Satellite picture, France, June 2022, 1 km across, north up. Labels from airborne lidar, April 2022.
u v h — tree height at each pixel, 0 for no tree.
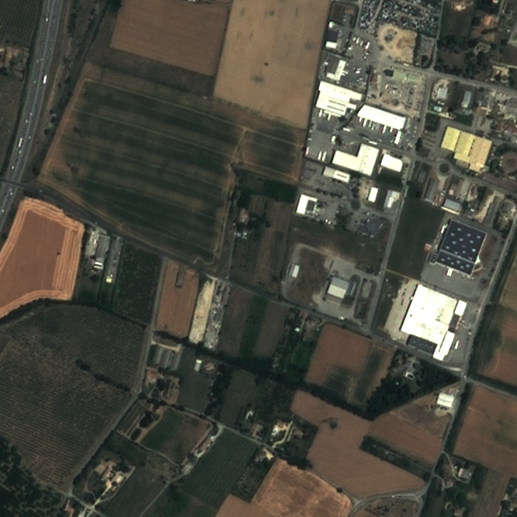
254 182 0
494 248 0
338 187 0
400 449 0
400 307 0
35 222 0
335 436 0
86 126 0
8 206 0
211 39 0
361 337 0
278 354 6
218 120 0
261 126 0
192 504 0
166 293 0
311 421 0
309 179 0
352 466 0
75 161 0
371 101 0
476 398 0
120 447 0
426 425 0
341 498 0
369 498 0
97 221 0
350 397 0
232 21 0
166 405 8
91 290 0
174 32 0
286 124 0
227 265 0
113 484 8
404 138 0
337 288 0
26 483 7
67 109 0
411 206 0
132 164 0
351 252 0
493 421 0
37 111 0
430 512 0
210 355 6
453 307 0
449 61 0
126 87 0
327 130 0
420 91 0
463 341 0
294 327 10
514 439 0
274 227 0
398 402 13
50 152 0
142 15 0
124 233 0
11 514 6
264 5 0
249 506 0
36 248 0
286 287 0
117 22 0
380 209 0
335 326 0
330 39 0
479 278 0
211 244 0
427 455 0
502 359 0
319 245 0
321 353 0
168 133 0
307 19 0
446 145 0
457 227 0
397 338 0
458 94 0
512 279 0
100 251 0
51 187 0
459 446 0
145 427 13
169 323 0
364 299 0
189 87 0
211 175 0
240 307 0
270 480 0
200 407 0
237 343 0
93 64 0
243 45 0
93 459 10
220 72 0
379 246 0
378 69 0
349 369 0
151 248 0
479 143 0
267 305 0
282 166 0
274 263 0
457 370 0
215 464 0
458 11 0
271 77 0
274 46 0
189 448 0
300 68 0
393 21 0
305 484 0
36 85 0
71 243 0
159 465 0
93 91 0
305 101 0
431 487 10
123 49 0
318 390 7
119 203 0
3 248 0
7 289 0
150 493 0
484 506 0
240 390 0
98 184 0
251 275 0
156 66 0
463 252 0
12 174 0
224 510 0
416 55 5
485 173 0
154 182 0
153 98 0
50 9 0
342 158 0
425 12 0
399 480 0
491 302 0
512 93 0
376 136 0
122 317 5
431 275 0
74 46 0
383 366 0
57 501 7
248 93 0
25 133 0
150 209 0
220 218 0
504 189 0
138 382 0
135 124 0
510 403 0
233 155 0
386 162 0
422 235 0
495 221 7
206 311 0
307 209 0
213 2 0
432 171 0
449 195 0
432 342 0
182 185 0
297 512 0
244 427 15
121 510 0
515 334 0
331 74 0
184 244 0
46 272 0
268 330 0
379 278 0
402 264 0
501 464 0
